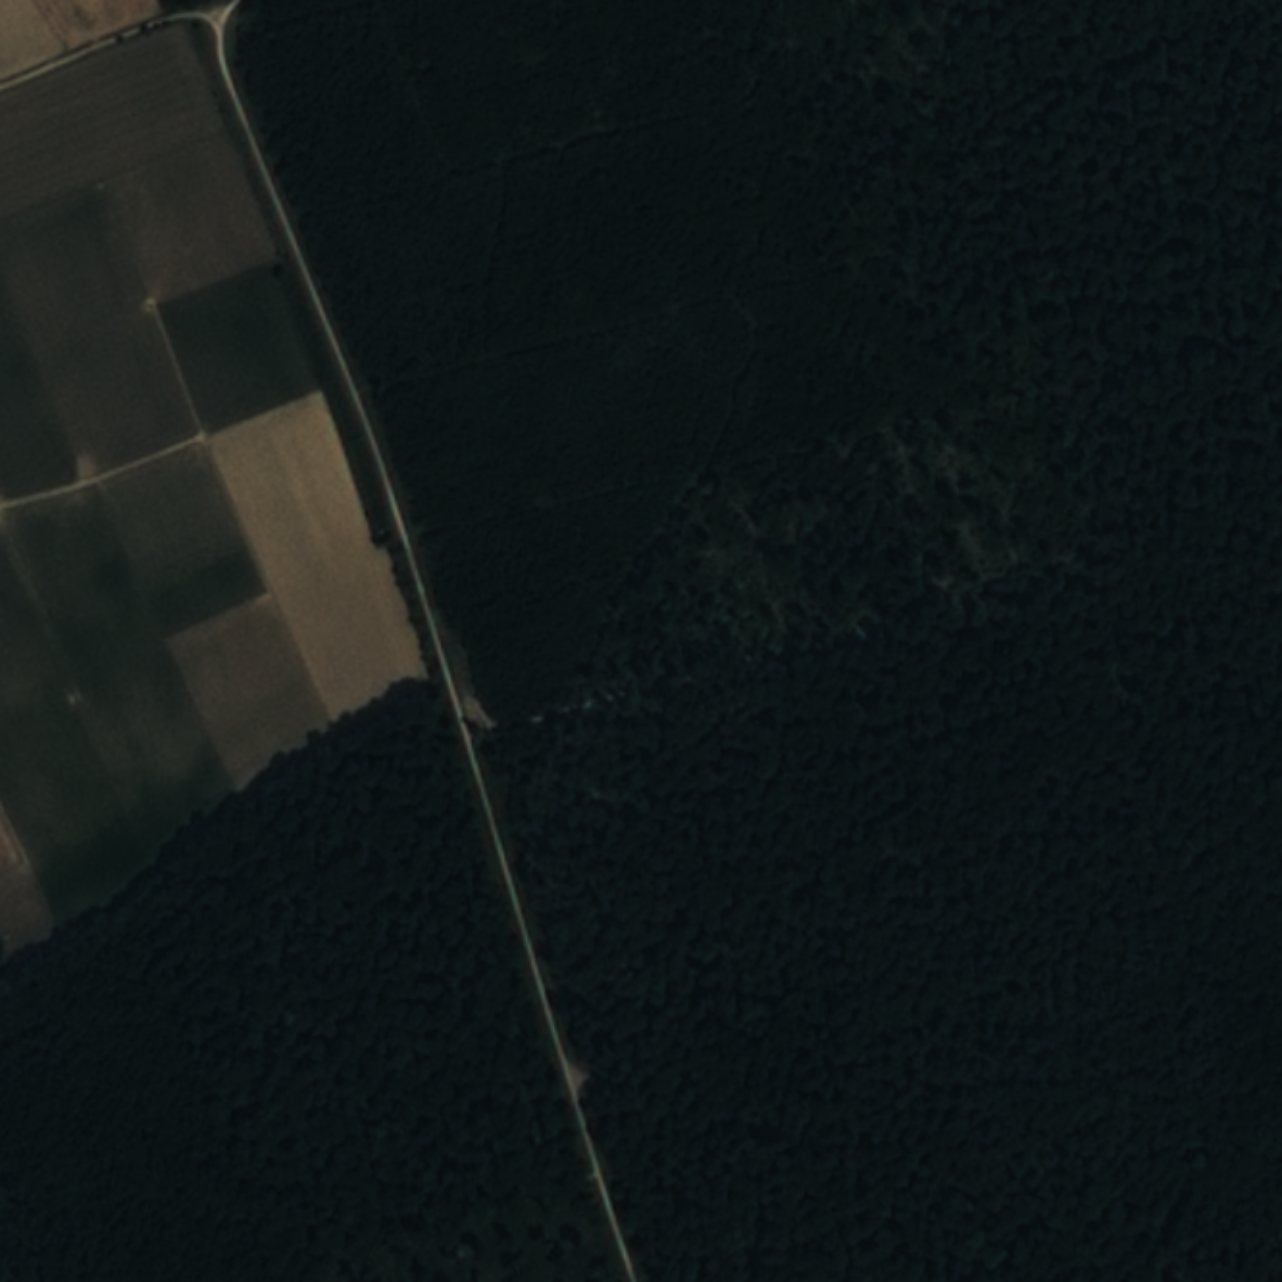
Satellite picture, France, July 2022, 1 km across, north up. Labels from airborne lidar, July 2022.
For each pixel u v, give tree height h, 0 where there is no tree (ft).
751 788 85
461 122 26
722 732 72
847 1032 97
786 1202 97
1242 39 81
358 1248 89
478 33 18
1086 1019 75
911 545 93
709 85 18
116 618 0
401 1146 87
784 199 30
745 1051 91
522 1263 89
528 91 22
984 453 96
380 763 84
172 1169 61
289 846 97
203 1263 54
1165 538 81
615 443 19
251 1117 83
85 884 0
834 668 89
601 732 82
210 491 0
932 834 85
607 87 18
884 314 22
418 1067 89
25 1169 58
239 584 0
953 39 65
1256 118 88
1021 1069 73
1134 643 94
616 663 24
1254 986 76
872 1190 90
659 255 22
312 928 74
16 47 0
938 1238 77
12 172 0
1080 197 84
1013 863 56
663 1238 93
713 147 29
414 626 31
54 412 0
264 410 0
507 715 21
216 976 79
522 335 27
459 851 85
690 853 78
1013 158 90
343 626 0
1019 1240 95
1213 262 95
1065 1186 77
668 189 31
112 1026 57
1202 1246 80
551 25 20
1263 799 73
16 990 65
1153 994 72
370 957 87
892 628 73
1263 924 73
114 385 0
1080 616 93
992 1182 81
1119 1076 85
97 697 0
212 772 0
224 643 0
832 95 80
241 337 0
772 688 89
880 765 84
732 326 20
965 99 39
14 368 0
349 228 39
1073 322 76
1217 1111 78
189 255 0
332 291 34
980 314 83
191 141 0
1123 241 86
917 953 82
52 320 0
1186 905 76
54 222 0
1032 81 73
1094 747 80
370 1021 81
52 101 0
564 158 20
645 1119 99
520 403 20
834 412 32
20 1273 74
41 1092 58
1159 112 81
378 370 31
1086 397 64
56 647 0
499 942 81
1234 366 92
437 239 37
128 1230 53
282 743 0
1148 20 95
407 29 22
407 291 37
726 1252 94
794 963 101
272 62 33
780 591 26
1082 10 78
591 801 80
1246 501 100
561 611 20
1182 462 40
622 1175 81
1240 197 79
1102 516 42
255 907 83
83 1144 51
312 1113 82
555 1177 85
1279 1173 67
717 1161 87
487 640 25
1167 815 74
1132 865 81
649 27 22
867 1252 93
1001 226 46
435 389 26
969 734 84
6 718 0
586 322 23
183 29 0
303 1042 73
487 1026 87
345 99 38
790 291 32
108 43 0
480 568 23
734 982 23
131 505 0
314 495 0
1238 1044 87
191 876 81
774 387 36
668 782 73
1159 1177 89
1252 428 94
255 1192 70
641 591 64
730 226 23
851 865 90
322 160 44
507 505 22
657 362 21
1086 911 83
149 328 0
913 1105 98
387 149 50
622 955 80
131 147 0
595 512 21
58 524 0
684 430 18
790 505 89
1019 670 75
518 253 29
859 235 36
